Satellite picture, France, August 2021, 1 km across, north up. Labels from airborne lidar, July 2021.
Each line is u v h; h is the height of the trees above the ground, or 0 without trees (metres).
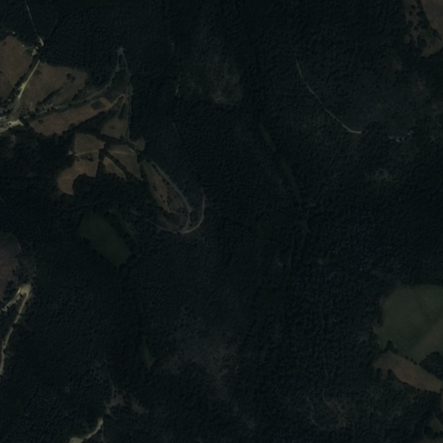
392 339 0
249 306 13
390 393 8
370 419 10
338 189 7
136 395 6
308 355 8
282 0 21
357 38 7
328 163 13
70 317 17
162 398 7
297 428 16
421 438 16
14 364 11
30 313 8
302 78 10
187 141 27
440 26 0
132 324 19
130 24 13
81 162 0
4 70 0
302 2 18
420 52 11
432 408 11
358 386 7
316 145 9
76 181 11
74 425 18
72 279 10
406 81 11
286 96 8
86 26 21
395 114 8
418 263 17
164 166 10
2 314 13
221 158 28
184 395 24
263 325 16
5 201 24
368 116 0
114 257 0
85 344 18
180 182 10
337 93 6
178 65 10
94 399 20
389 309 0
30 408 18
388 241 19
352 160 10
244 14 29
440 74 17
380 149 13
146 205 12
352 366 7
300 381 8
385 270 12
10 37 0
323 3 14
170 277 17
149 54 12
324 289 12
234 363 7
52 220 18
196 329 6
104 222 0
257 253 12
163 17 11
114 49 16
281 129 18
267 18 22
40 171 16
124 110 8
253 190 29
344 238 10
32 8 17
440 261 12
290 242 16
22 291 0
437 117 8
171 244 11
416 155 8
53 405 20
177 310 17
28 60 0
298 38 6
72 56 18
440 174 17
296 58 10
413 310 0
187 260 9
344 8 20
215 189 29
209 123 29
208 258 11
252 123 12
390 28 12
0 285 0
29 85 0
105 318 13
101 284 17
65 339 18
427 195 20
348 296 15
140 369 31
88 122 9
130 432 16
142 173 9
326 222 19
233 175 33
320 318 10
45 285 10
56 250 17
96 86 9
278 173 13
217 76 6
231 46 13
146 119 19
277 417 22
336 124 8
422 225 16
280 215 23
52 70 0
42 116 0
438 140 9
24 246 16
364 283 15
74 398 22
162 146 10
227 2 33
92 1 15
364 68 10
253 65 8
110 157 11
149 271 19
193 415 19
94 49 18
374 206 20
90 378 17
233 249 23
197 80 7
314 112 8
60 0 19
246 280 12
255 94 17
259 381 10
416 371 0
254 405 11
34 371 10
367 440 9
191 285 10
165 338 8
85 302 15
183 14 23
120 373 7
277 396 9
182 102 21
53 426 19
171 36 11
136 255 19
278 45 11
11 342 8
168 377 12
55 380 22
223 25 13
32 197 23
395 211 19
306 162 11
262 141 20
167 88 29
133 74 8
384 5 16
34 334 19
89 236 0
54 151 17
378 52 14
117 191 13
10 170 15
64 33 19
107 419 18
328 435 11
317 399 7
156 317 18
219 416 13
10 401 15
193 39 10
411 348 0
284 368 13
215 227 13
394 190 13
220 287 12
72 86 0
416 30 8
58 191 8
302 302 15
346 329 10
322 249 15
